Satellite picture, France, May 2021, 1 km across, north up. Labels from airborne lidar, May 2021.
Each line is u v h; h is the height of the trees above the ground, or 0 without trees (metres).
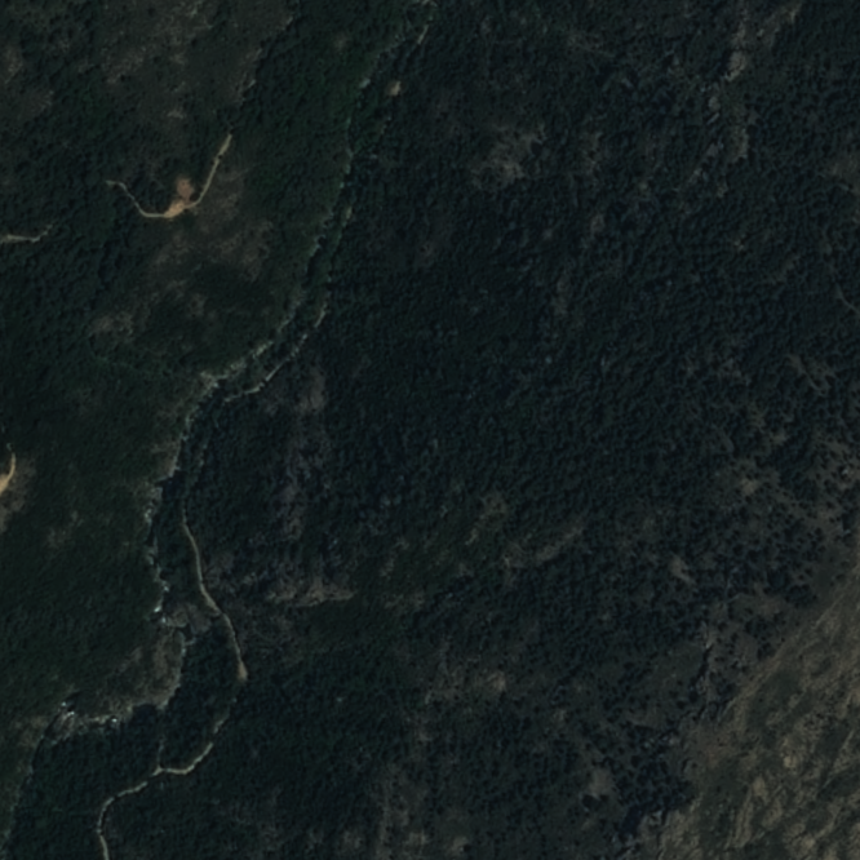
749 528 17
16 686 13
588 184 15
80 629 20
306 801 6
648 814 12
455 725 6
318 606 8
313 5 24
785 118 18
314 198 18
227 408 10
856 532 8
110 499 9
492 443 8
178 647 8
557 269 9
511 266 10
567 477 7
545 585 14
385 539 10
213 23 7
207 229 0
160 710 17
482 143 12
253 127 10
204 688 15
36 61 21
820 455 9
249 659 11
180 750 10
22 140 8
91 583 12
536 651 12
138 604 15
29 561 11
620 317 9
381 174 27
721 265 23
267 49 21
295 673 13
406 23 15
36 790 10
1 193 13
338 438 11
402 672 7
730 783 0
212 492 14
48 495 10
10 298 14
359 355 12
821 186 18
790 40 15
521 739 7
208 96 6
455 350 10
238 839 6
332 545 7
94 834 8
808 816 0
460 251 7
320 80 14
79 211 24
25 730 7
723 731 0
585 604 13
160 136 6
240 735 7
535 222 8
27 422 11
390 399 8
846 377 16
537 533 7
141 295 8
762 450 11
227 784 11
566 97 11
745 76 6
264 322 7
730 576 7
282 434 8
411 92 8
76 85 17
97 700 7
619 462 12
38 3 23
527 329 12
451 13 10
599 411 6
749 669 7
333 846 6
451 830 0
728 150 15
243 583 6
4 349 25
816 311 16
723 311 17
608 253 6
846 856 0
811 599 13
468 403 9
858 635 0
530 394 14
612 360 11
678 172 9
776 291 14
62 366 24
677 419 14
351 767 8
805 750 0
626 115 7
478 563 6
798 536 12
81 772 8
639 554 13
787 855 0
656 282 6
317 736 20
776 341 16
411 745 11
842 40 10
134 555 6
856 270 13
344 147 8
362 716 7
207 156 16
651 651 7
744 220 12
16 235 18
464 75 6
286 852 11
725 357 14
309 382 8
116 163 18
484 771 7
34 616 20
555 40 7
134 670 6
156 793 8
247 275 7
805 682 0
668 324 15
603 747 14
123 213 21
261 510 9
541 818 8
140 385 7
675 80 8
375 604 6
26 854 15
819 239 15
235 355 7
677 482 6
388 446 9
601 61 8
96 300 20
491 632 11
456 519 14
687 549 7
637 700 12
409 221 8
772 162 9
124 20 9
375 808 6
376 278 9
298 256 11
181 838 6
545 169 5
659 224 14
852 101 13
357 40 11
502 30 8
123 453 6
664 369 12
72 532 7
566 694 11
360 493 12
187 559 14
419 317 10
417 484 12
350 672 7
